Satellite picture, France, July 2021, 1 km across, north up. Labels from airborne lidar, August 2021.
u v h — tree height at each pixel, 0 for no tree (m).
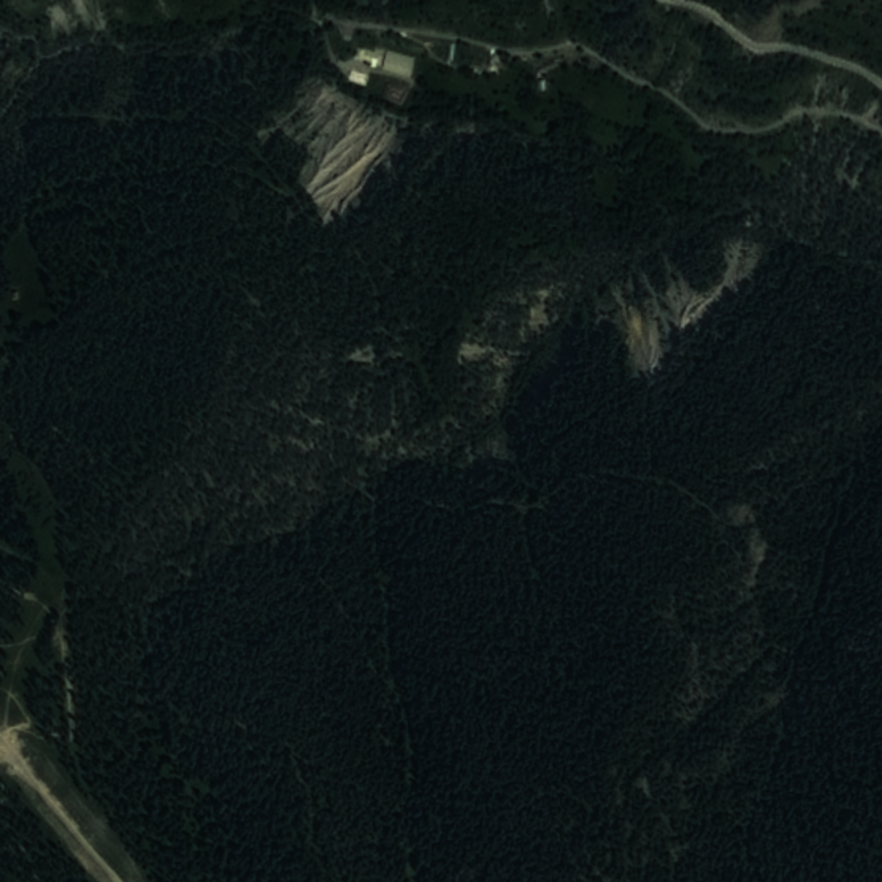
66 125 14
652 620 15
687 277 7
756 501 10
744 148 9
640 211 18
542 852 23
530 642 21
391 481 26
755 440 20
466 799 19
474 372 9
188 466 14
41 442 18
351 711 24
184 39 10
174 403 19
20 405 18
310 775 24
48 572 0
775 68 7
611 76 6
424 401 17
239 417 18
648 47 12
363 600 20
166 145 27
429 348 12
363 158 0
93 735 22
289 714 27
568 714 15
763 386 20
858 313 20
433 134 11
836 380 19
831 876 17
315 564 16
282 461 11
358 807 25
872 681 19
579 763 15
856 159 11
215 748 21
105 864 0
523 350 11
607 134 0
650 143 13
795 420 18
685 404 21
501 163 24
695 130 8
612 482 16
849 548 26
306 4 14
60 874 27
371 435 9
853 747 22
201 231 25
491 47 0
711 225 15
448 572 29
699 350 19
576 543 20
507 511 21
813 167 11
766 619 10
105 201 28
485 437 7
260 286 13
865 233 18
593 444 12
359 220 13
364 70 0
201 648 26
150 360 17
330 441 10
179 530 16
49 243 23
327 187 0
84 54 12
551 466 22
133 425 21
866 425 11
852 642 11
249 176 14
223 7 0
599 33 9
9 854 13
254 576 20
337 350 16
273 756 26
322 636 15
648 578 16
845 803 21
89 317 23
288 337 13
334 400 13
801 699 17
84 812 0
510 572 18
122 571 11
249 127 13
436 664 20
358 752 24
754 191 12
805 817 24
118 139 24
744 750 20
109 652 23
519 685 18
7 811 29
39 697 26
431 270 10
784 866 22
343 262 18
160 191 20
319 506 12
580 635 15
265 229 16
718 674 18
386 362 12
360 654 26
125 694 28
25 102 11
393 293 16
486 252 12
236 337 7
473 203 15
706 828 16
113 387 21
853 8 7
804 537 14
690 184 15
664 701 10
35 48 11
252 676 22
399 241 8
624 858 16
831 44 6
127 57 8
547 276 12
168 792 18
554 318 8
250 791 27
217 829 22
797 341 20
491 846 19
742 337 17
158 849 11
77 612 24
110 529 14
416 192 9
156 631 28
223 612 22
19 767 0
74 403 22
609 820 18
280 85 27
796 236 9
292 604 17
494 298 10
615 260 7
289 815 24
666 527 17
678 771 11
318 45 9
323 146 0
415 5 9
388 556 23
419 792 14
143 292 18
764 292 14
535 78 12
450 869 20
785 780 27
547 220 12
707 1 8
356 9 10
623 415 19
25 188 22
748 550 15
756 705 18
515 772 15
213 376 11
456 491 17
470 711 23
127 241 23
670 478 17
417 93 8
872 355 16
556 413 20
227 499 11
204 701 19
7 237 19
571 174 17
